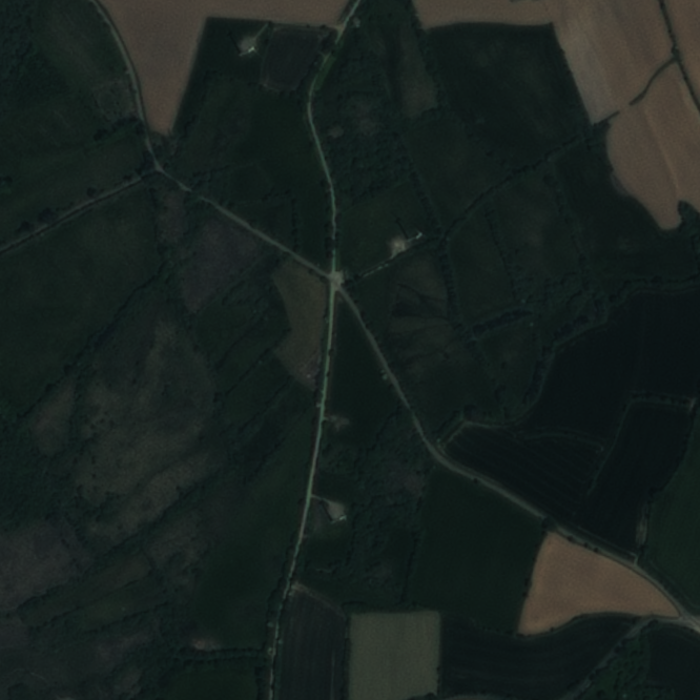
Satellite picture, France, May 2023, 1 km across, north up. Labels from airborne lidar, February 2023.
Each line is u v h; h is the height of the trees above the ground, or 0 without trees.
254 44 0
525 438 0
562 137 0
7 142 0
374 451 10
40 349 0
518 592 0
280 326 0
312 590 0
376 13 0
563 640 0
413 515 8
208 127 0
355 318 0
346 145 10
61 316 0
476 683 0
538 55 0
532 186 0
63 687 0
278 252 7
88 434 0
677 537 0
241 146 0
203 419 0
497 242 7
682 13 0
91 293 0
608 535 0
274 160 0
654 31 0
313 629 0
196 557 0
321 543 0
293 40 0
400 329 0
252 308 7
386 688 0
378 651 0
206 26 0
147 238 0
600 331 0
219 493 0
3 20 10
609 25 0
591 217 0
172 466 0
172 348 0
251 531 0
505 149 0
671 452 0
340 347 0
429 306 0
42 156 0
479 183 0
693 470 0
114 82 0
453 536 0
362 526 8
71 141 0
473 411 18
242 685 0
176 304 5
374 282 0
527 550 0
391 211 0
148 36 0
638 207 0
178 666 13
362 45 8
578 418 0
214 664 11
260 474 7
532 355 0
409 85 0
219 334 0
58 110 0
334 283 0
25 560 0
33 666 0
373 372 0
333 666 0
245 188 0
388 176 7
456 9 0
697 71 0
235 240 0
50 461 6
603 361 0
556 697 0
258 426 10
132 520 0
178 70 0
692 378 0
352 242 0
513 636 10
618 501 0
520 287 11
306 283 0
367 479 9
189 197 12
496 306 0
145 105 0
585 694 9
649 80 0
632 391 0
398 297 0
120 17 0
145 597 0
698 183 0
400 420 10
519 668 0
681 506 0
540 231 0
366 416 0
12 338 0
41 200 0
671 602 0
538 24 0
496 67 0
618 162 0
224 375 0
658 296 0
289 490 0
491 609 0
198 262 0
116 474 0
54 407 0
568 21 0
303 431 0
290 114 0
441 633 0
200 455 0
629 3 0
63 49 0
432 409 0
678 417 0
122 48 0
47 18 0
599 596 0
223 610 0
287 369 0
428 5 0
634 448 0
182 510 7
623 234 0
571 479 0
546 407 0
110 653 0
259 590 0
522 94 0
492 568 0
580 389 0
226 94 0
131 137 0
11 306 0
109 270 0
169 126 0
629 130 0
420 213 0
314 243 0
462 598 0
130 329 0
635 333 0
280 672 7
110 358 0
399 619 0
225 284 0
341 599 0
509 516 0
